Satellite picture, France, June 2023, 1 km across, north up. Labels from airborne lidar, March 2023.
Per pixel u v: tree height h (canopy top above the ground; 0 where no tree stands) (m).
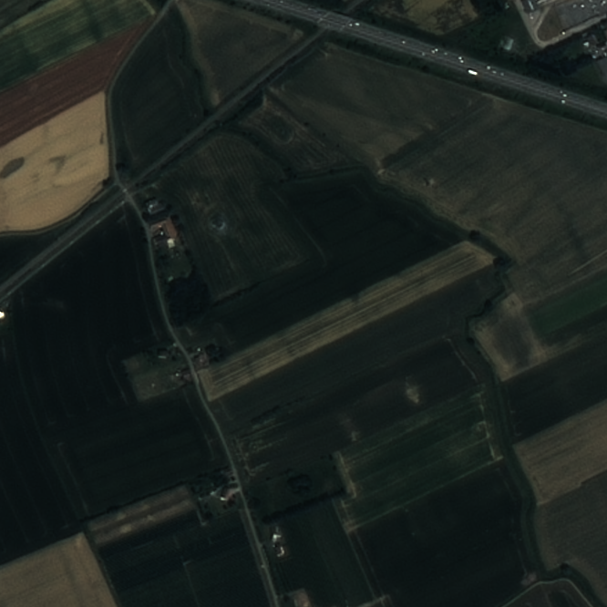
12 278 0
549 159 0
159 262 7
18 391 0
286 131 0
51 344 0
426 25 0
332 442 0
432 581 0
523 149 0
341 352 0
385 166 0
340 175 0
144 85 0
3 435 0
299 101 0
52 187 0
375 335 0
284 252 0
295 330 0
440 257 0
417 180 0
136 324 0
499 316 0
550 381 0
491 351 0
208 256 0
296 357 0
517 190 0
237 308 0
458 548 0
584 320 0
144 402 0
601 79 0
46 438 0
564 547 0
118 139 0
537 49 0
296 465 0
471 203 0
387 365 0
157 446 0
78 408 0
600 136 0
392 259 0
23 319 0
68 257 0
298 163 0
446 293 0
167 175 0
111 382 0
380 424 0
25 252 0
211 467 0
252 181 0
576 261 0
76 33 0
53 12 0
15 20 0
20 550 0
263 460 0
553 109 0
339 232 0
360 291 0
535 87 0
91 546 0
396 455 0
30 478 0
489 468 0
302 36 0
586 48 0
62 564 0
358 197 0
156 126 0
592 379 0
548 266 0
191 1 0
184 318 13
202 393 0
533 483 0
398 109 0
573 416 0
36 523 0
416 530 0
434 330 0
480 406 0
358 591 0
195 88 0
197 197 0
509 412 0
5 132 0
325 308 0
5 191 0
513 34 0
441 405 0
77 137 0
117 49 0
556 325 0
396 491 0
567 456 0
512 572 0
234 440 0
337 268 0
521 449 0
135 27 0
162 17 0
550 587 0
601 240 0
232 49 0
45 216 0
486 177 0
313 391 0
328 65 0
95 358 0
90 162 0
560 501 0
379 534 0
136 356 0
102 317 0
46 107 0
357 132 0
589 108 0
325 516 0
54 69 0
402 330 0
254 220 0
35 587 0
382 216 0
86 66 0
